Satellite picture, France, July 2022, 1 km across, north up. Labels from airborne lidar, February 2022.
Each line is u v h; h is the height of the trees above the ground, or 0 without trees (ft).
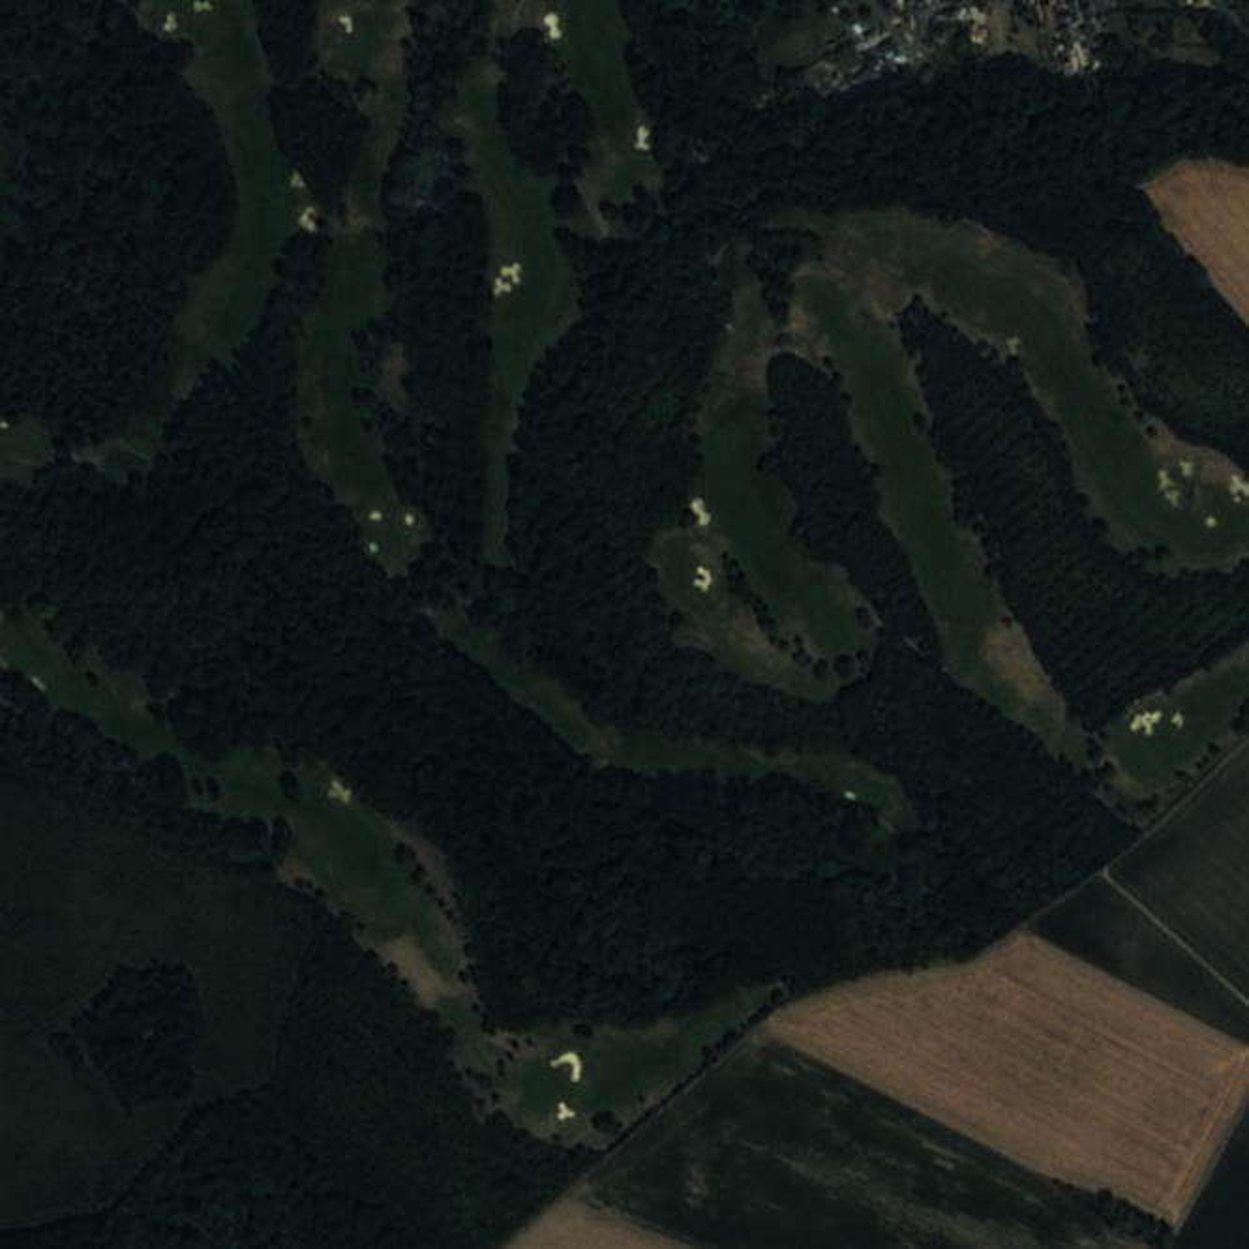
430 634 88
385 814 20
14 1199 0
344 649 103
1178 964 0
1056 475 22
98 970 0
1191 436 38
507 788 81
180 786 77
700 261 59
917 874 73
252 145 0
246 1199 75
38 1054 0
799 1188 0
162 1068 39
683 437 23
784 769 0
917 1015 0
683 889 46
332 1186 26
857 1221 0
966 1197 0
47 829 0
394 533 0
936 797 33
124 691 0
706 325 51
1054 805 51
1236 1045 0
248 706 82
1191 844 0
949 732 43
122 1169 0
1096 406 0
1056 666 34
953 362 28
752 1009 0
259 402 64
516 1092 0
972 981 0
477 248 65
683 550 0
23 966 0
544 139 81
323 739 70
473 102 0
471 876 68
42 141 99
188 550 67
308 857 0
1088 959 0
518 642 61
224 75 0
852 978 29
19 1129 0
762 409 0
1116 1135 0
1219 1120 0
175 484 70
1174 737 0
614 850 49
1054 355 0
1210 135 75
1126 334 22
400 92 0
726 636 0
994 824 45
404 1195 44
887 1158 0
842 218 0
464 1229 28
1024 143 70
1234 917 0
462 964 0
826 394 31
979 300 0
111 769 59
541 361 0
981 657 0
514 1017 27
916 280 0
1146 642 22
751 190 60
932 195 43
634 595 44
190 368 0
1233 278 0
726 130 64
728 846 54
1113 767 25
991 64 23
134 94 87
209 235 76
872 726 35
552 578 77
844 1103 0
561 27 0
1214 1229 0
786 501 0
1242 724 28
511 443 0
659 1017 49
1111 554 37
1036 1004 0
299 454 48
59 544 57
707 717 19
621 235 0
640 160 0
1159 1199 0
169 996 35
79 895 0
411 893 0
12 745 60
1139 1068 0
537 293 0
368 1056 29
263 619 63
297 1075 31
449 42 31
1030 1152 0
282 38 96
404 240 60
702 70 88
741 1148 0
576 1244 0
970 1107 0
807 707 29
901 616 29
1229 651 30
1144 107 89
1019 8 20
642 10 93
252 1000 0
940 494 0
